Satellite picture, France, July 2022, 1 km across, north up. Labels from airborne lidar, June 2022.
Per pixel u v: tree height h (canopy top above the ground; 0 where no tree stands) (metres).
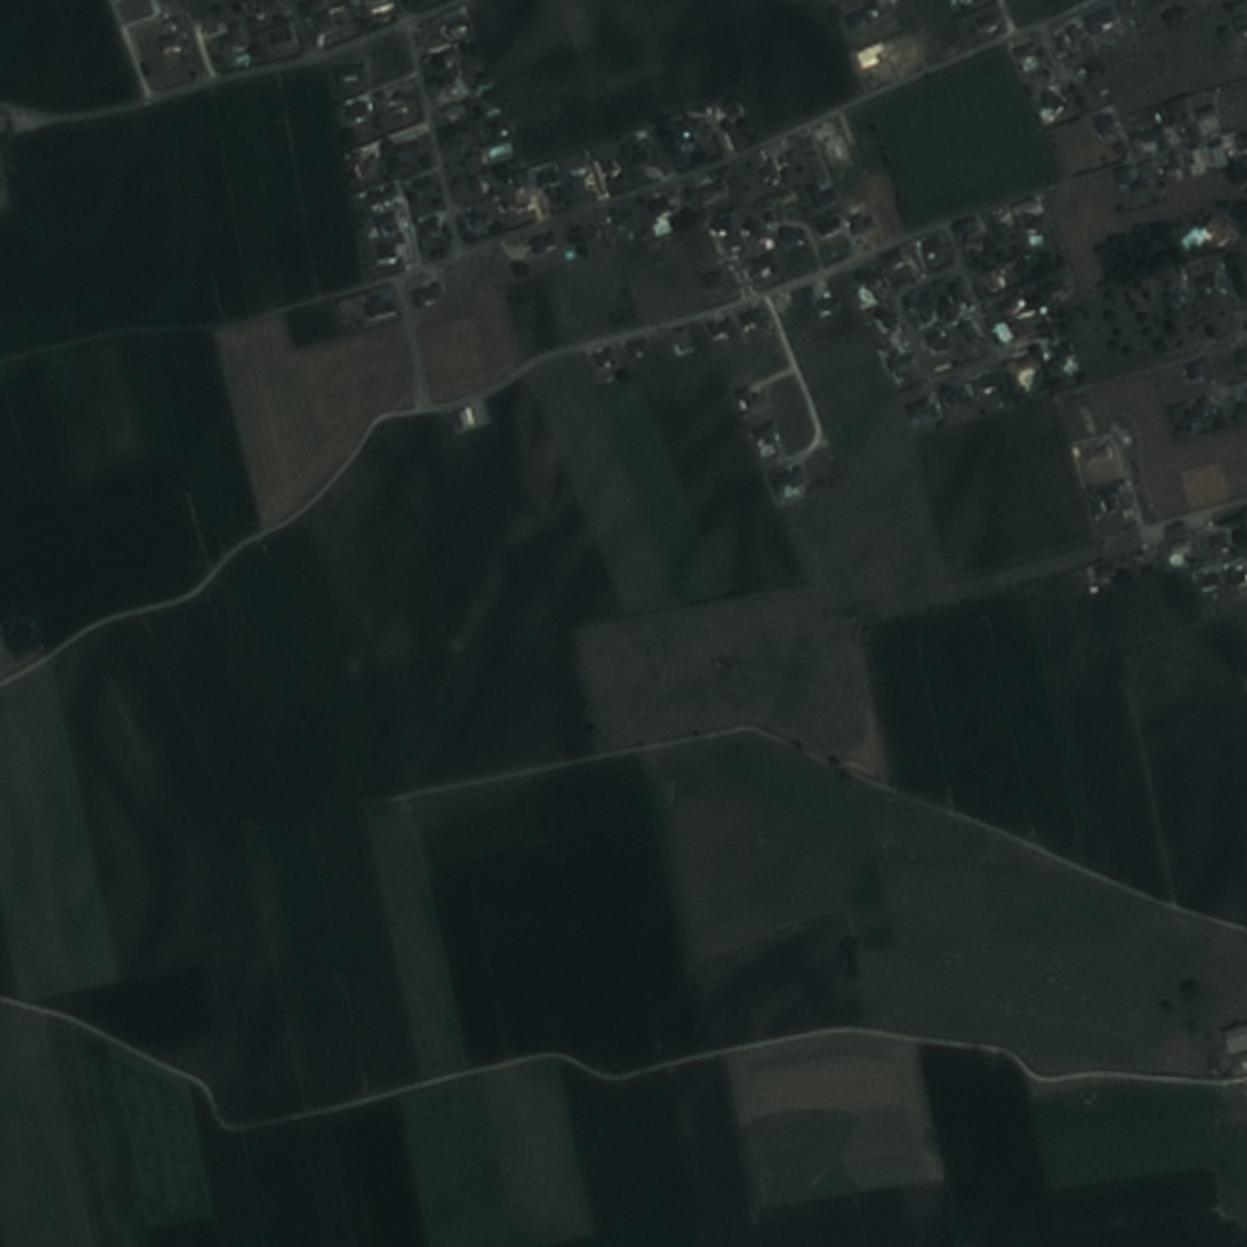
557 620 0
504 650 0
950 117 0
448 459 0
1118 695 0
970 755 0
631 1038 0
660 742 0
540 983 0
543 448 0
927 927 0
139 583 0
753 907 0
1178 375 0
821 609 0
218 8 6
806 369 0
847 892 0
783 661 0
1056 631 0
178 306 0
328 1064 0
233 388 0
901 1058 0
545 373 0
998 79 0
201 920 0
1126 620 0
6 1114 0
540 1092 0
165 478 0
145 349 0
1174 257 8
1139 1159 0
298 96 0
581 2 0
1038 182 0
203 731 0
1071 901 0
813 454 0
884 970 0
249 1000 0
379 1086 0
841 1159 0
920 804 0
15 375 0
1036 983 0
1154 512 0
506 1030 0
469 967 0
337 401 0
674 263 0
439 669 0
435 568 0
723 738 0
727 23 0
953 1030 0
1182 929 0
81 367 0
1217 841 0
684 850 0
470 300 0
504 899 0
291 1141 0
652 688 0
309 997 0
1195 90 0
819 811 0
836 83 0
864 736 0
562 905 0
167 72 0
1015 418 0
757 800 0
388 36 0
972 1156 0
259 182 0
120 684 0
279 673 0
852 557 0
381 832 0
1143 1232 0
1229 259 8
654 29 0
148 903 0
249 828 0
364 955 0
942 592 0
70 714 0
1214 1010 0
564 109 0
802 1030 0
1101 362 0
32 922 0
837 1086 0
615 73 0
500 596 0
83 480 0
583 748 0
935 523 0
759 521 0
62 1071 0
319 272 0
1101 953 0
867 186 0
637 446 0
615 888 0
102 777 0
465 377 0
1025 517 0
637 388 0
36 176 0
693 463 0
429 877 0
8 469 0
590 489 0
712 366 0
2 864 0
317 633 0
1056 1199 0
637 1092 0
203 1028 0
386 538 0
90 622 0
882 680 0
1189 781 0
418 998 0
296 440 0
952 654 0
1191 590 0
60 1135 0
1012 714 0
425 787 0
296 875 0
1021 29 0
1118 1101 0
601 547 0
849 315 0
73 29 0
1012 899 0
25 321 0
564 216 0
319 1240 0
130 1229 0
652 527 0
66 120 0
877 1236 0
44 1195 0
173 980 0
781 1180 0
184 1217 0
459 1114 0
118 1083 0
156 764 0
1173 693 0
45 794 0
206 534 0
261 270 0
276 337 0
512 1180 0
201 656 0
